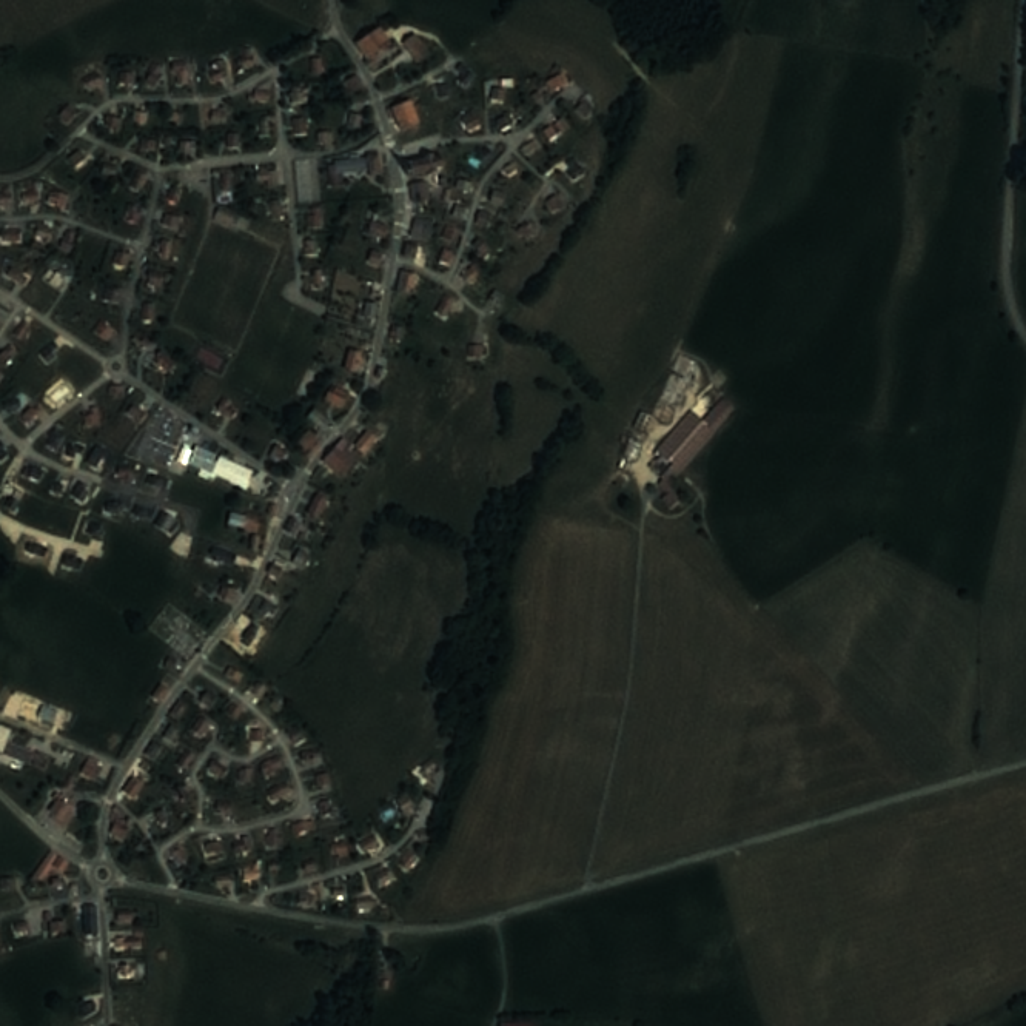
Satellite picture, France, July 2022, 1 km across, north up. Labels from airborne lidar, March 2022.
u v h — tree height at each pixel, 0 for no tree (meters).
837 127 0
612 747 0
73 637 0
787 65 0
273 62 20
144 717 0
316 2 0
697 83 0
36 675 0
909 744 0
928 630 0
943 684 0
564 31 0
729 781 0
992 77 0
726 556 0
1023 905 0
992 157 0
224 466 0
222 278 0
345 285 0
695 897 0
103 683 0
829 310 0
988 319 0
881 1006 0
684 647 0
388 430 0
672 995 0
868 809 0
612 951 0
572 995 0
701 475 0
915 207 0
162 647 0
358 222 0
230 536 0
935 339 0
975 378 0
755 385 0
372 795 0
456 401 0
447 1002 0
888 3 0
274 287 0
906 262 0
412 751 0
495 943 0
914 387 0
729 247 0
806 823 0
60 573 0
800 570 0
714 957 0
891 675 0
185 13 0
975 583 0
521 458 0
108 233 0
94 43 0
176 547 0
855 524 0
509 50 0
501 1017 7
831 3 0
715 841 0
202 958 0
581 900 0
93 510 0
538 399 0
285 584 0
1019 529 0
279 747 0
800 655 0
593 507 0
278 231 0
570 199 0
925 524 0
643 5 20
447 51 0
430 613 0
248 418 9
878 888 0
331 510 0
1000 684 0
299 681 0
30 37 0
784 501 0
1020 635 0
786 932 0
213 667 0
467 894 0
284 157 0
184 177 0
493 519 18
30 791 0
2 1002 0
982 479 0
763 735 0
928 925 0
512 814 0
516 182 0
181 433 0
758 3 0
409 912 0
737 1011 0
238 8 0
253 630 0
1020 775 0
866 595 0
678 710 0
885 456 0
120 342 0
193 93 0
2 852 0
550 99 0
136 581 0
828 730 0
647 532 0
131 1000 0
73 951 0
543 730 0
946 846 0
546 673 0
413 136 0
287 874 0
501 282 0
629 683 0
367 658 0
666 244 0
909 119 7
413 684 0
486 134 0
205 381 0
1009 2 0
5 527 0
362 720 0
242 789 0
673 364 0
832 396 0
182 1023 0
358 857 10
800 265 0
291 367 0
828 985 0
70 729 0
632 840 0
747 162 0
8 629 0
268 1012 0
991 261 0
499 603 18
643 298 0
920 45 0
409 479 0
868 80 0
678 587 0
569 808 0
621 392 0
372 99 0
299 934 0
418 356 7
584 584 0
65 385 0
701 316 0
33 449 0
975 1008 0
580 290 0
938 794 0
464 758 18
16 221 0
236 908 0
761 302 0
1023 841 0
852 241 0
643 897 0
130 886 0
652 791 0
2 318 0
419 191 0
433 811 6
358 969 10
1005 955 0
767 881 0
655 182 0
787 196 0
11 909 0
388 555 0
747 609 0
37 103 0
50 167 0
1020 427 0
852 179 0
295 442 12
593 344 0
